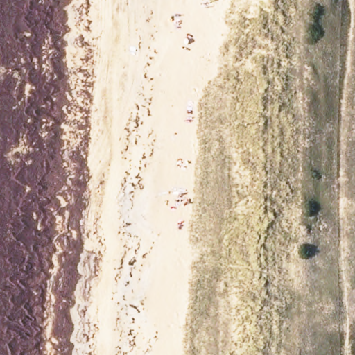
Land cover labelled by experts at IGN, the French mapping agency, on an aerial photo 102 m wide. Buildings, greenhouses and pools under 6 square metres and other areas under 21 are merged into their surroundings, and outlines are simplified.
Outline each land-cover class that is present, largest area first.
<instances>
[{"label":"bare soil","instance_id":"1","mask_svg":"<svg viewBox=\"0 0 355 355\"><path fill-rule=\"evenodd\" d=\"M351 22L348 0H0V355H355V223L349 229L347 237L348 266L354 269L351 288L348 290L351 305L344 308L340 268V128L348 29ZM352 89L347 101L349 121L345 172L347 198L355 200V75L349 79Z\"/></svg>","mask_w":355,"mask_h":355},{"label":"pervious surface","instance_id":"2","mask_svg":"<svg viewBox=\"0 0 355 355\"><path fill-rule=\"evenodd\" d=\"M351 22L348 29L340 128V268L344 308L351 305L348 290L351 288L354 269L348 266L347 237L349 229L355 223V200L347 198L345 172L349 121L347 101L352 89L349 79L355 75V0H348Z\"/></svg>","mask_w":355,"mask_h":355}]
</instances>
